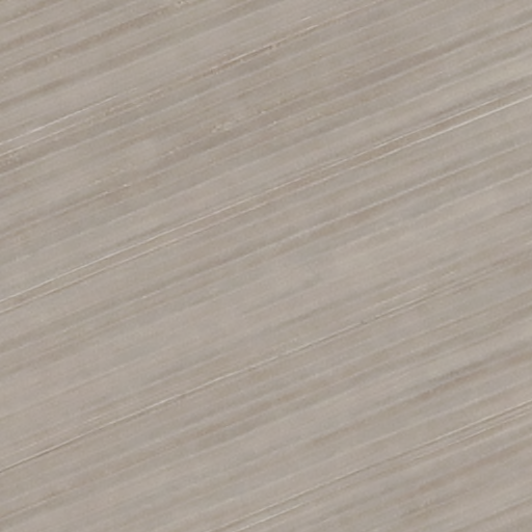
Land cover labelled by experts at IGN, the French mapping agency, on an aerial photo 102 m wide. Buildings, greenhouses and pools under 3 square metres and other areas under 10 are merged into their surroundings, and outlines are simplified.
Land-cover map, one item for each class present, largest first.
<instances>
[{"label":"agricultural land","instance_id":"1","mask_svg":"<svg viewBox=\"0 0 532 532\"><path fill-rule=\"evenodd\" d=\"M0 532H532V0H0Z\"/></svg>","mask_w":532,"mask_h":532}]
</instances>
